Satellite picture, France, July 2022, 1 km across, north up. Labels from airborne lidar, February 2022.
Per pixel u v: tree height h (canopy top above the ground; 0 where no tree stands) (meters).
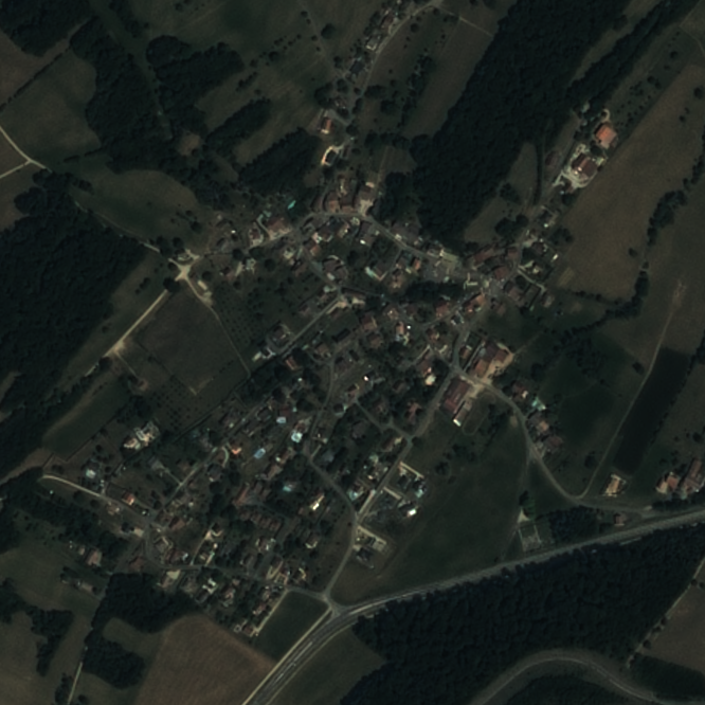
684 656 0
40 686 0
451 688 28
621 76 13
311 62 0
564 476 0
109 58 18
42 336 18
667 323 0
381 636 26
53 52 0
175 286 20
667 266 0
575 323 0
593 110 12
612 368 0
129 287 0
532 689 6
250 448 0
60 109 0
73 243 27
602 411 0
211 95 0
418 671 22
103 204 0
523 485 0
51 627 17
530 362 0
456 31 0
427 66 19
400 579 0
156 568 0
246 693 0
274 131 0
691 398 0
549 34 14
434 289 16
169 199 0
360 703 26
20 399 12
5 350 21
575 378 0
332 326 0
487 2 10
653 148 0
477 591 27
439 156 22
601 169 6
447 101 0
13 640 0
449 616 26
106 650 14
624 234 0
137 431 0
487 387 0
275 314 0
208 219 0
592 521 9
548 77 21
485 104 18
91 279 19
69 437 0
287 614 0
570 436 0
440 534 0
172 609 24
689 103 0
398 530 0
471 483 0
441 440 0
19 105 0
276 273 0
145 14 0
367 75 0
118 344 0
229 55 14
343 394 0
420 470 0
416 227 0
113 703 0
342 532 0
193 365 0
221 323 0
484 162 16
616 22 14
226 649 0
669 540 23
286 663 0
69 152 0
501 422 9
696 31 0
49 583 0
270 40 0
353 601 0
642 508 0
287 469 9
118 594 9
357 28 0
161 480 14
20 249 21
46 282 22
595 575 30
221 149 13
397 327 0
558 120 15
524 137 13
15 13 23
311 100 0
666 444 0
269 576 0
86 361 0
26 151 0
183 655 0
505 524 0
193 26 0
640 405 0
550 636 26
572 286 0
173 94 18
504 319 0
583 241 0
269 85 0
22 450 16
